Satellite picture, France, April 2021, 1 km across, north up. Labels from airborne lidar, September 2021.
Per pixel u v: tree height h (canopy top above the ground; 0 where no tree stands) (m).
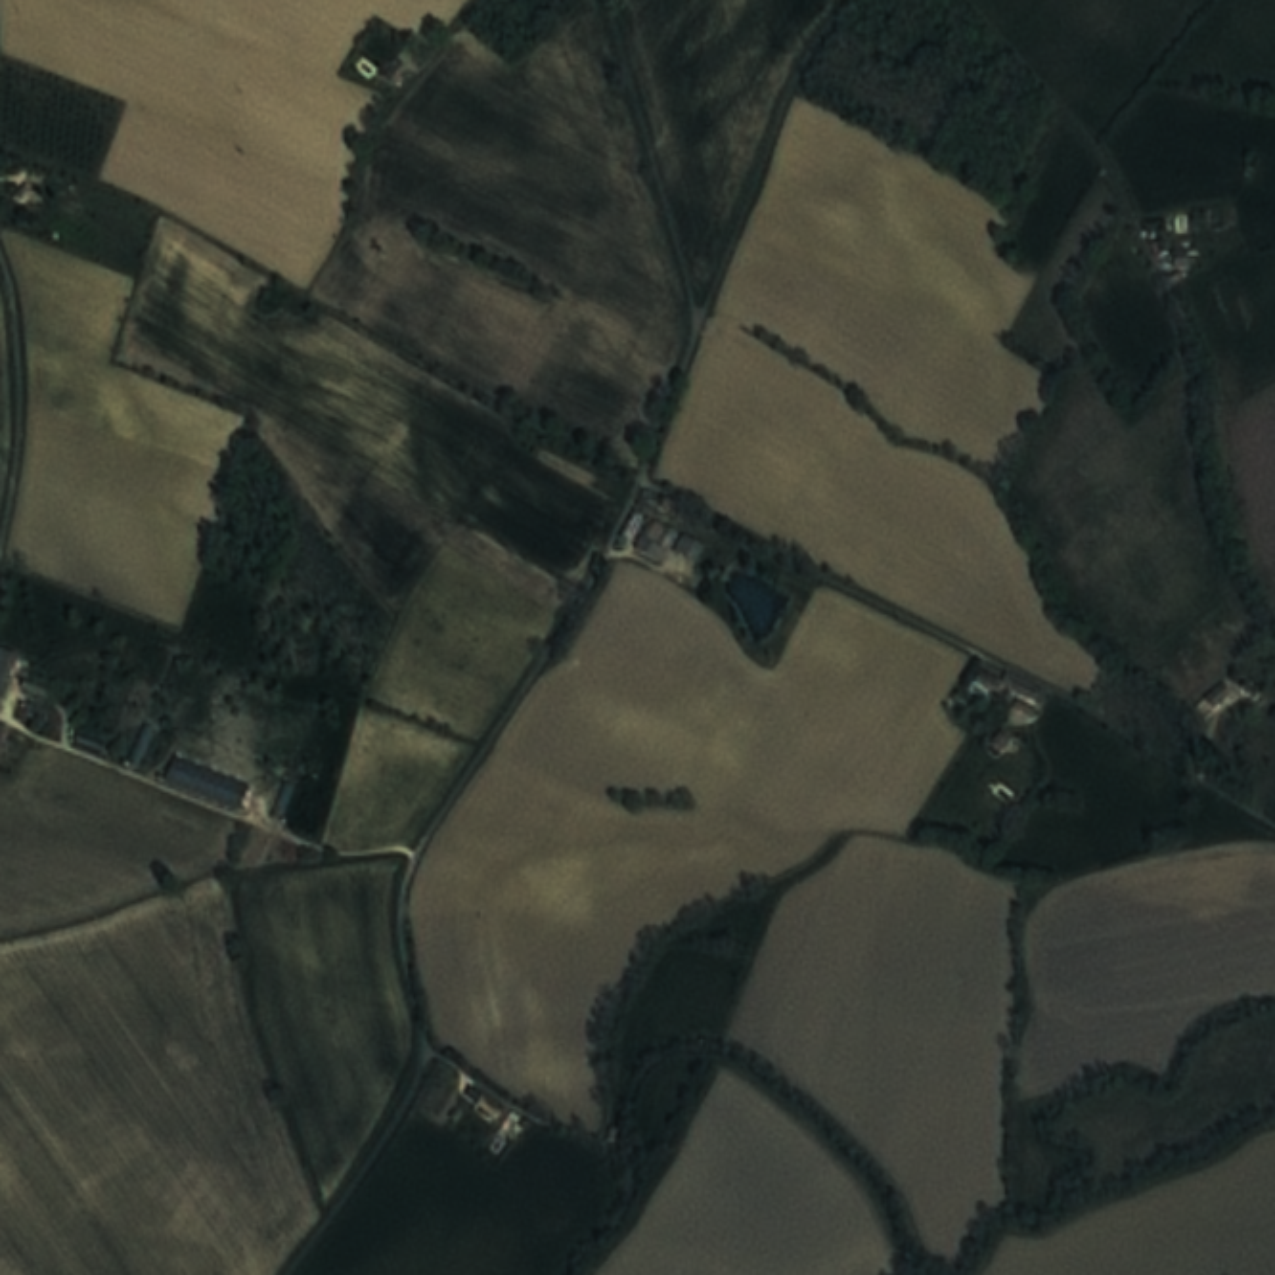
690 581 0
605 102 0
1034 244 0
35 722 8
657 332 0
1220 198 0
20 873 0
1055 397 19
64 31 0
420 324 0
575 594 21
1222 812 0
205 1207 0
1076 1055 0
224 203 0
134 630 0
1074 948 0
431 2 0
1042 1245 0
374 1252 0
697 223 0
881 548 0
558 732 0
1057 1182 11
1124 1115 0
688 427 0
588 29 0
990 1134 0
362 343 0
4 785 0
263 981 0
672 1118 8
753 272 0
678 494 7
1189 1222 0
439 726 8
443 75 0
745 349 0
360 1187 0
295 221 0
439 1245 0
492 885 0
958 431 0
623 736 0
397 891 0
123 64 0
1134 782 0
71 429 0
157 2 0
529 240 0
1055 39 0
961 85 13
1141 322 0
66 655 0
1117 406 15
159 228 0
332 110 0
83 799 0
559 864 0
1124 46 0
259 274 0
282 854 0
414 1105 0
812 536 0
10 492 0
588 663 0
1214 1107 0
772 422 0
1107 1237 0
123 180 0
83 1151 0
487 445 0
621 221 0
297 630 11
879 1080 0
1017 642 0
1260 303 0
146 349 0
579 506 0
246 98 0
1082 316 18
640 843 0
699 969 0
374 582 0
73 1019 0
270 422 0
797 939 0
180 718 0
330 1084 0
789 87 0
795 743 0
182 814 0
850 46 14
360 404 0
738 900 10
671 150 0
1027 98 14
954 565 0
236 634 0
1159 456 0
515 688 0
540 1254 0
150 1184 0
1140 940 0
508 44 16
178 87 0
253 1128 0
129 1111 0
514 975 0
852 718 0
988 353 0
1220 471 16
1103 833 0
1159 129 0
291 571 14
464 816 0
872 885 0
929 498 0
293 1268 0
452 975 0
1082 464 0
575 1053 0
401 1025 0
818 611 0
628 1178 15
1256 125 0
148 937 0
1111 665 19
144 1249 0
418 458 0
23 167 7
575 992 0
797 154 0
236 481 21
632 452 14
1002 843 12
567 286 0
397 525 0
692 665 0
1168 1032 0
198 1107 0
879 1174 16
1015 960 10
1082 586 0
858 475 0
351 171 9
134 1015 0
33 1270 0
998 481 18
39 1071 0
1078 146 0
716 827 0
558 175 0
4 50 0
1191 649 0
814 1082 0
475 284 0
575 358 0
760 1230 0
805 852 0
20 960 0
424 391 0
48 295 0
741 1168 0
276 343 0
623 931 0
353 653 14
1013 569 0
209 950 0
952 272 0
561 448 10
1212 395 19
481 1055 0
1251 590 11
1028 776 0
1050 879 16
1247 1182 0
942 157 21
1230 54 0
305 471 0
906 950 0
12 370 0
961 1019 0
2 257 0
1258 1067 0
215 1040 0
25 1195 0
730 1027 0
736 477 0
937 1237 0
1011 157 19
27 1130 0
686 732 0
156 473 0
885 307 0
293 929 0
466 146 0
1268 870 0
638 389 0
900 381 0
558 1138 13
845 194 0
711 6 0
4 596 11
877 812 0
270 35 0
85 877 0
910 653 0
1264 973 0
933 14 14
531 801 0
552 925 0
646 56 0
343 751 0
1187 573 0
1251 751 10
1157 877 0
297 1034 0
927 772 0
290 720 0
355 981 0
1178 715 20
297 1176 0
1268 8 0
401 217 0
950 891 0
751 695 0
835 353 0
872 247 0
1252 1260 0
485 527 0
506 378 0
